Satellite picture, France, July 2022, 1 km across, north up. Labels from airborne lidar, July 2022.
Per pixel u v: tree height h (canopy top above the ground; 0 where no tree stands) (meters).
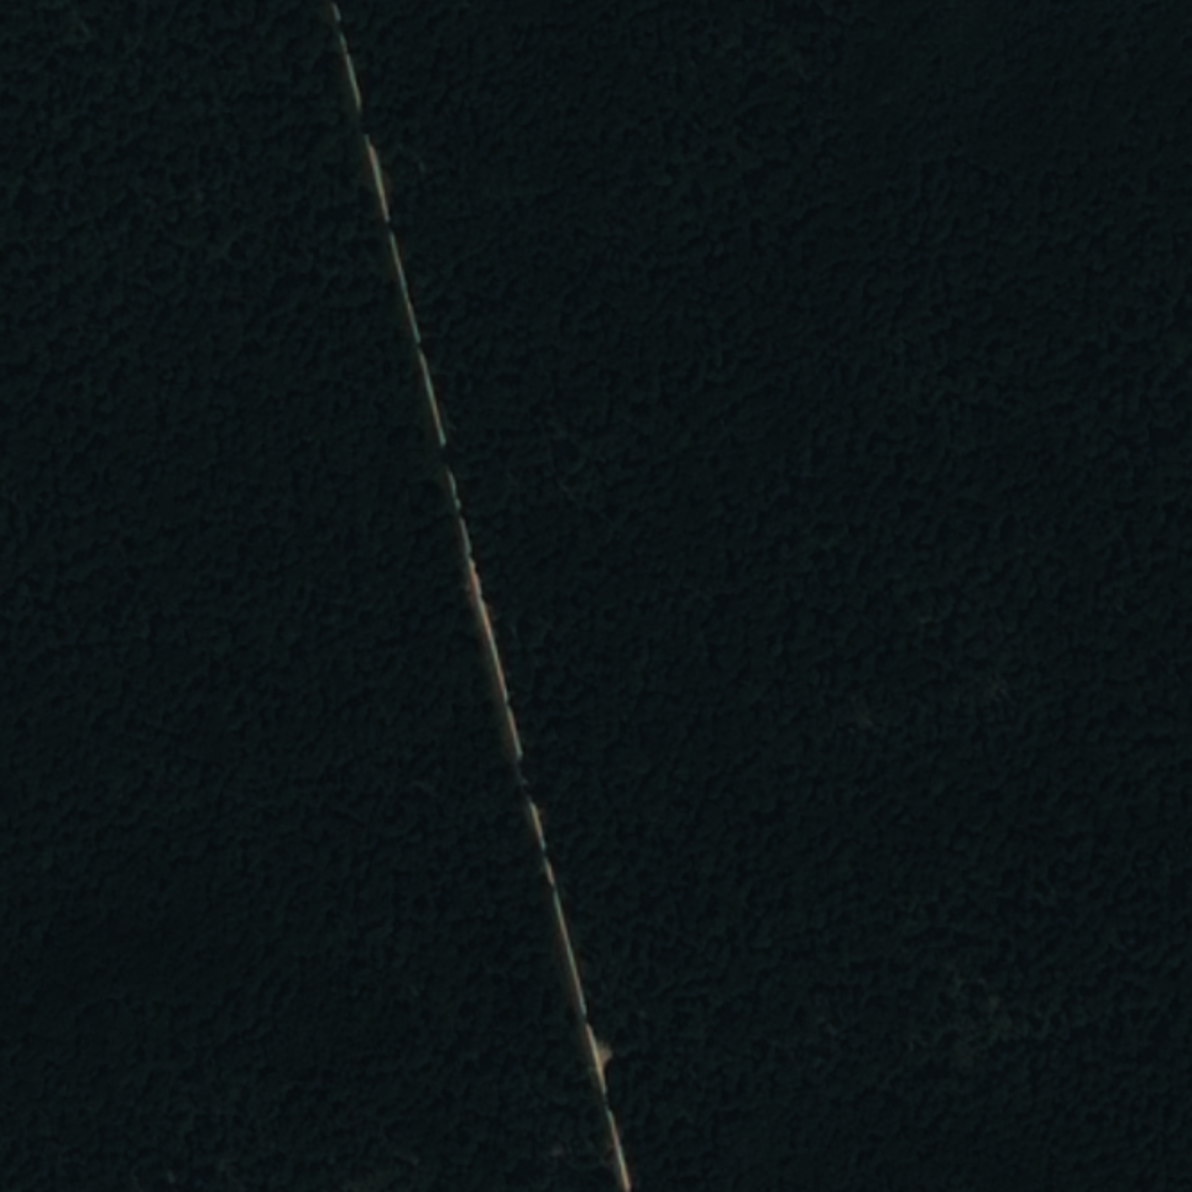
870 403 28
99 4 22
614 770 30
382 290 25
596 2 27
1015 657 24
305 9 29
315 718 25
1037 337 29
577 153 26
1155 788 29
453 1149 29
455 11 28
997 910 5
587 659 30
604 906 28
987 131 31
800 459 30
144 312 22
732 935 23
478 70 25
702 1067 25
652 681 27
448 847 28
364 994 25
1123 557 28
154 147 24
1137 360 27
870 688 28
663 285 26
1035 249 30
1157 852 26
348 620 23
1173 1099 28
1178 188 30
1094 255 29
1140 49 30
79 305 27
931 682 23
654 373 27
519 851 25
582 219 25
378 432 23
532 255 25
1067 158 30
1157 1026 7
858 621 28
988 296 24
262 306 25
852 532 27
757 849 26
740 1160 25
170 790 25
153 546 30
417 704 24
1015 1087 28
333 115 27
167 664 28
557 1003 28
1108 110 29
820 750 25
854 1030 25
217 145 7
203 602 25
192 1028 24
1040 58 28
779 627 28
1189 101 28
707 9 22
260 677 20
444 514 25
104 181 25
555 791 26
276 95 24
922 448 29
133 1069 23
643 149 27
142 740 26
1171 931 31
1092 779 28
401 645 27
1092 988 30
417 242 24
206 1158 18
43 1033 23
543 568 31
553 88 26
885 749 27
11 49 27
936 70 20
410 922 29
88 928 24
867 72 30
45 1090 22
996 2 18
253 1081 21
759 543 23
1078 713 29
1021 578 29
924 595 32
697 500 26
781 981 23
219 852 27
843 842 26
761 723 30
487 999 27
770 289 26
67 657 28
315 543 26
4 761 23
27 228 21
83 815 28
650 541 27
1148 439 7
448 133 25
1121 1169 28
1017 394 26
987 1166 25
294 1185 21
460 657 29
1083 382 31
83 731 24
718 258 28
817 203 26
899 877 13
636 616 25
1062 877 29
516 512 28
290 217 19
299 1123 19
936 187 29
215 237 24
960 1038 25
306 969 18
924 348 28
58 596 25
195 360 28
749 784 28
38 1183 23
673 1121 13
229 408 18
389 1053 23
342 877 26
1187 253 31
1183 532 31
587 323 26
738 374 25
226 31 27
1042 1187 23
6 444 28
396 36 26
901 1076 22
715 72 29
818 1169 24
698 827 27
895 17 25
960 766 28
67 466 30
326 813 27
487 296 13
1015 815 28
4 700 28
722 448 28
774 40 32
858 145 25
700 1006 20
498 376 26
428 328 17
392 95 23
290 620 26
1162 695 30
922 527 31
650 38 24
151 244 25
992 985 6
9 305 26
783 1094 25
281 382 26
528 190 24
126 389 24
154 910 23
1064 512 28
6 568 25
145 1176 27
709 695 28
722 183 29
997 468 30
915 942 20
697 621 26
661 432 27
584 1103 29
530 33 25
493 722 8
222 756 25
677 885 28
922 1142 21
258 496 26
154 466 24
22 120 26
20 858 24
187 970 24
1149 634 30
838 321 27
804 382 25
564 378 28
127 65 27
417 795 22
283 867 22
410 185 25
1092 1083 28
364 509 29
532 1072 30
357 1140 13
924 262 31
